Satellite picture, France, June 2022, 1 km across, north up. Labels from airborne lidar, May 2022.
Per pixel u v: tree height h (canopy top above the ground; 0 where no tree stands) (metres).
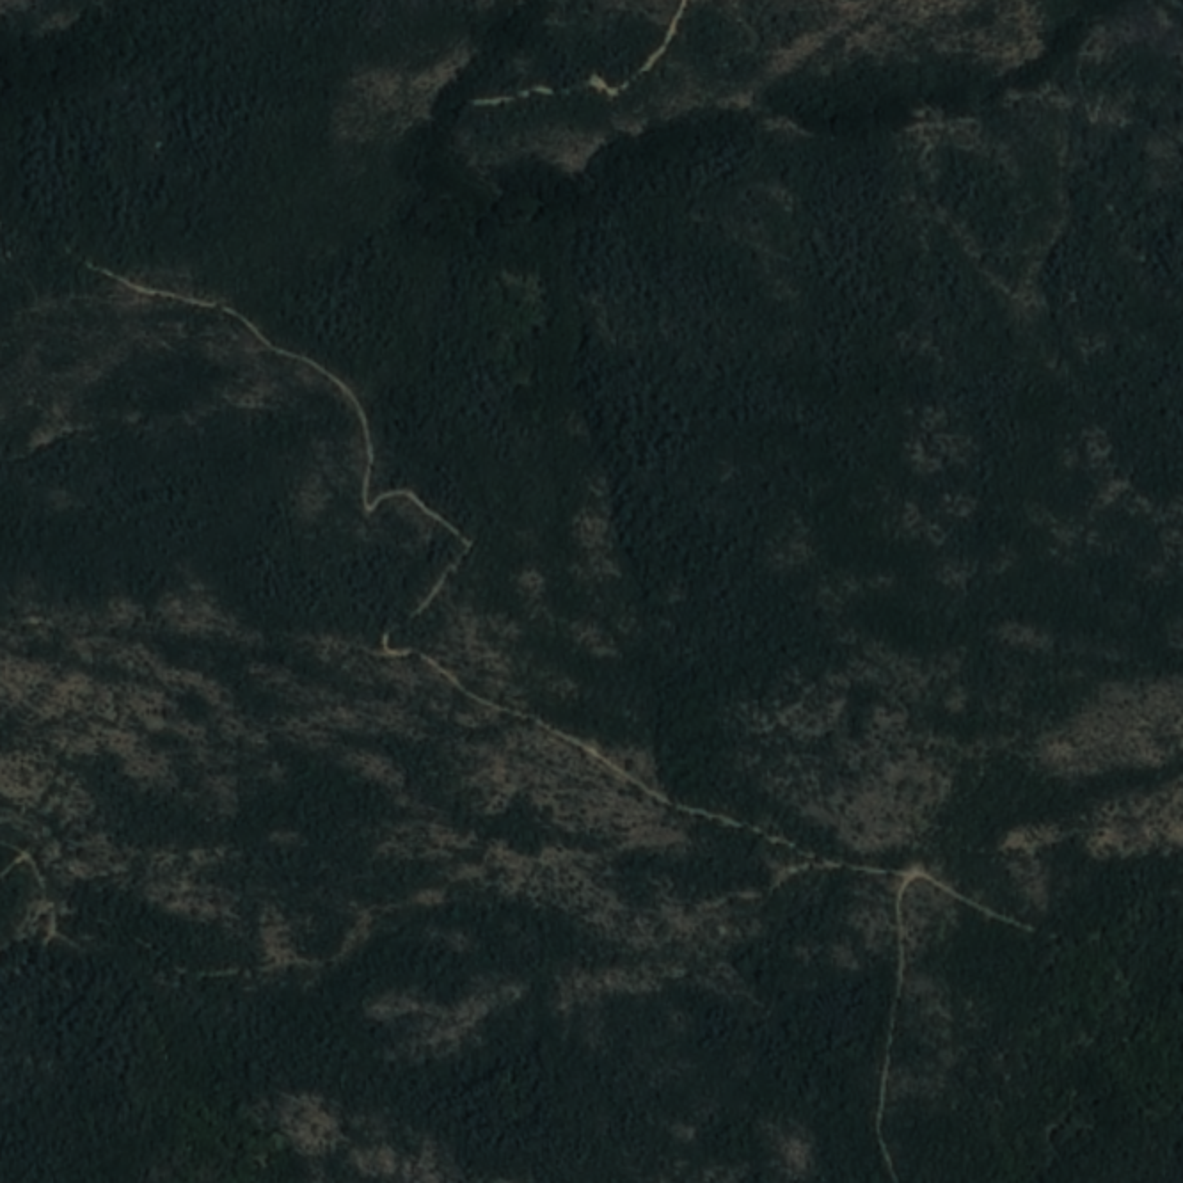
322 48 7
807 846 10
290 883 11
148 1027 10
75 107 6
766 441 7
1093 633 7
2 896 11
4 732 6
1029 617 10
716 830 6
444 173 11
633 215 15
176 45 13
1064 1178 9
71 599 8
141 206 12
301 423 5
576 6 9
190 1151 13
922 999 7
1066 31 13
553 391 13
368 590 12
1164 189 7
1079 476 6
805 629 6
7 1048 6
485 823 9
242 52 8
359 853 8
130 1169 8
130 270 7
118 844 5
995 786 6
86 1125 8
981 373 7
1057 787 8
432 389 9
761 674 7
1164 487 6
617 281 17
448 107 16
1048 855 8
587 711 7
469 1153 9
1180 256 14
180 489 8
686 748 11
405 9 10
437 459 5
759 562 6
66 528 7
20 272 7
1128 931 10
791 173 11
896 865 7
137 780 7
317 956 9
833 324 8
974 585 7
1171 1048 9
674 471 12
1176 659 8
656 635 6
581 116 7
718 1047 14
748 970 7
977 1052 7
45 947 11
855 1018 15
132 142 6
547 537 6
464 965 7
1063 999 8
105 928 8
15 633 7
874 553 6
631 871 6
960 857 6
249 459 7
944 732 7
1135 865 7
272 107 8
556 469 7
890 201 13
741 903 8
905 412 5
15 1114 7
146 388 6
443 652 5
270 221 7
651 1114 8
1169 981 7
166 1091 6
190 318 8
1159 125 9
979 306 13
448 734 7
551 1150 11
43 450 7
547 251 14
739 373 7
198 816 8
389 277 15
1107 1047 17
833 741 7
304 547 6
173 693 6
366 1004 7
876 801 0
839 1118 8
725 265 9
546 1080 9
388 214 8
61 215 14
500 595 6
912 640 6
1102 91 6
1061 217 5
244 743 6
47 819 5
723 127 14
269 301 6
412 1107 8
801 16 9
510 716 7
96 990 19
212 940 9
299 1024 8
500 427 14
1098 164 8
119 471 7
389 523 6
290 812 6
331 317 15
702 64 7
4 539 6
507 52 11
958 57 5
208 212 8
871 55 8
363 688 8
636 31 6
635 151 15
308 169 6
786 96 9
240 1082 7
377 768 0
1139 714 0
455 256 9
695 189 8
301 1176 7
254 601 8
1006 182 7
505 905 6
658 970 6
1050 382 7
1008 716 6
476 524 12
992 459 7
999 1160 14
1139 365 6
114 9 9
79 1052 6
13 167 13
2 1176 6
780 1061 11
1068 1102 8
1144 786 7
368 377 6
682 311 7
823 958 9
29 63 15
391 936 7
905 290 8
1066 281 15
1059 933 6
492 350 11
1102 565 5
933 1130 6
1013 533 7
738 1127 9
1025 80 15
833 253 10
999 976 8
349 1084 7
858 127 14
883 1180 7
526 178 11
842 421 7
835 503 6
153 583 7
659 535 14
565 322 16
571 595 6
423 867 10
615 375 21
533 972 7
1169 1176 5
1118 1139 9
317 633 5
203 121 17
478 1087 18
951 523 6
